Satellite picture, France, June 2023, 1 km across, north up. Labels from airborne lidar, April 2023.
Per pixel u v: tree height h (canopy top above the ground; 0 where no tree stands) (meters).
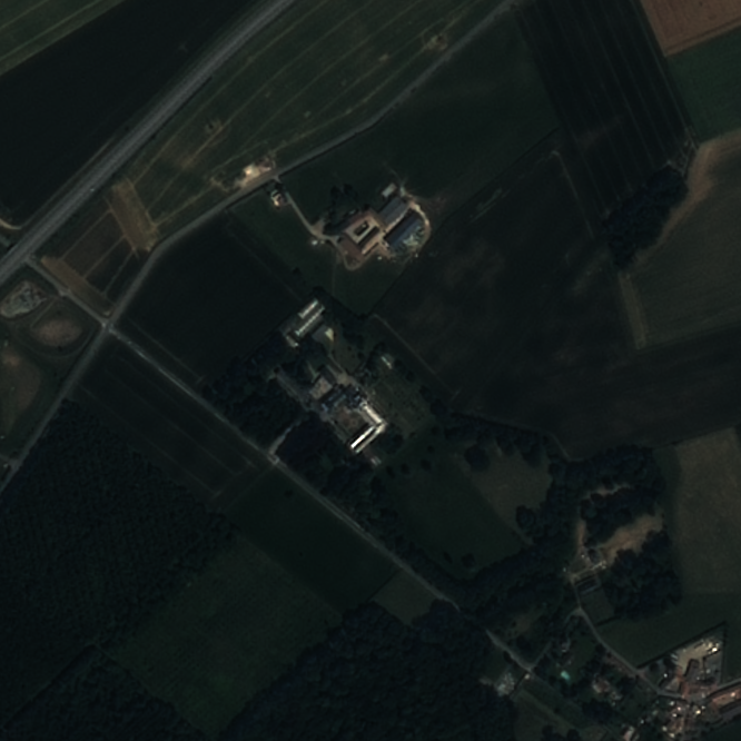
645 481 22
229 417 21
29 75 0
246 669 0
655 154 0
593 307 0
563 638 13
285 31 0
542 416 0
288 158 0
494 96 0
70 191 0
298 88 0
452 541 0
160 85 0
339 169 0
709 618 0
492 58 0
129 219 0
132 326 0
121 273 0
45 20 0
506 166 0
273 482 0
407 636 26
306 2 0
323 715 30
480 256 0
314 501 0
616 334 0
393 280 0
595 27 0
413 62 0
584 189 0
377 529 21
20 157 0
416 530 0
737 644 0
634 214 21
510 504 0
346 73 0
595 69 0
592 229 0
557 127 0
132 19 0
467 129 0
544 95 0
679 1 0
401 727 24
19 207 0
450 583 31
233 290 0
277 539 0
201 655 0
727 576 0
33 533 14
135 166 0
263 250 0
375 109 0
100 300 0
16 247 0
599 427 0
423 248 0
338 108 0
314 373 0
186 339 0
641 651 0
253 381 29
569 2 0
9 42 0
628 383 0
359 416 0
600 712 19
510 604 28
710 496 0
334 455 27
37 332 0
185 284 0
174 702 0
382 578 0
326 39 0
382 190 0
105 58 0
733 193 0
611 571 0
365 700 30
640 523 0
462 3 0
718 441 0
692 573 0
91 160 0
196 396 0
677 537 0
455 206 0
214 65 0
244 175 0
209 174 0
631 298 0
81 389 0
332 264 0
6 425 0
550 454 10
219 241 0
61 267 0
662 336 0
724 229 0
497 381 0
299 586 0
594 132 0
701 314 0
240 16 0
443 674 22
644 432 0
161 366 0
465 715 26
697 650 0
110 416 0
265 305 0
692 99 0
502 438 24
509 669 0
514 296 0
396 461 0
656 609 22
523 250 0
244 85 0
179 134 0
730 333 0
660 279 0
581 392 0
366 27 0
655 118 0
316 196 0
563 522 23
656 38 0
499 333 0
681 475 0
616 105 0
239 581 0
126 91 0
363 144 0
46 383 0
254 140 0
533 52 0
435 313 0
